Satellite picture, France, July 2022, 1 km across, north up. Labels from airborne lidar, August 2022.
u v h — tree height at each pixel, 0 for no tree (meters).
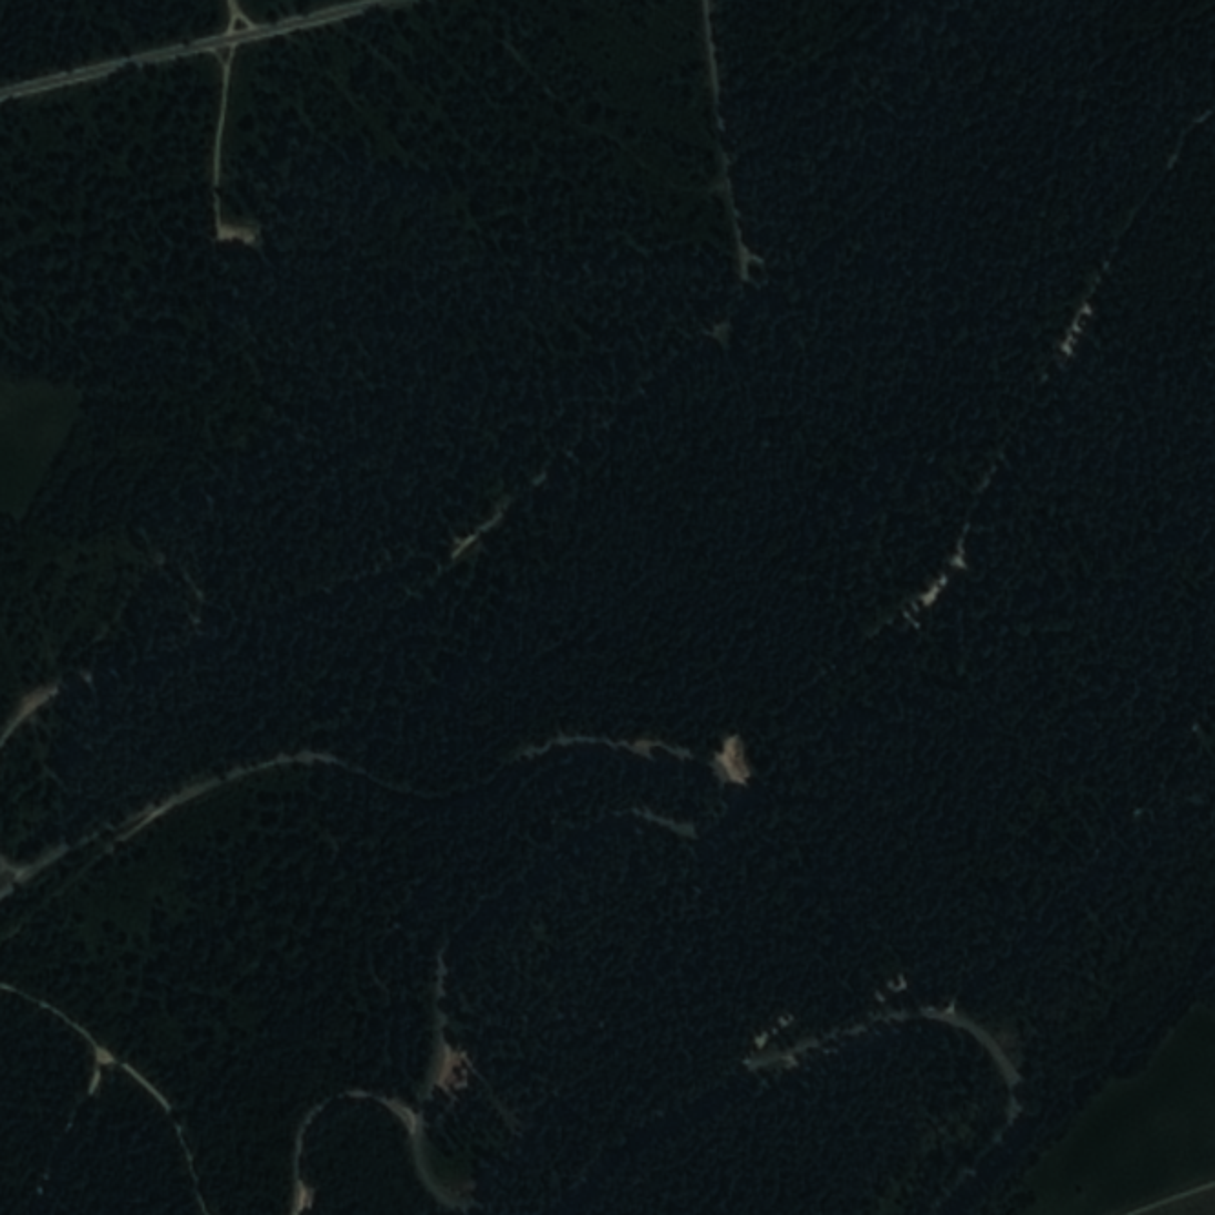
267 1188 11
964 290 31
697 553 30
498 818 26
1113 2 26
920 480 25
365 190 27
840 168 29
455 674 38
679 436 26
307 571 28
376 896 19
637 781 32
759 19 10
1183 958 21
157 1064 9
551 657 28
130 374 13
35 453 0
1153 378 33
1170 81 23
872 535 27
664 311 33
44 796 7
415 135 15
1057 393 6
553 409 23
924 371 29
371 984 12
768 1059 0
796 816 32
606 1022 35
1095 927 25
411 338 30
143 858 12
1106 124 28
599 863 33
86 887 10
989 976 31
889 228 30
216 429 12
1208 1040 0
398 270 9
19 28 18
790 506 30
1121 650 28
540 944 29
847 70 21
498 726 28
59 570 11
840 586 12
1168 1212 0
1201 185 17
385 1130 11
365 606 30
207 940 11
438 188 34
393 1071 20
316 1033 13
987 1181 30
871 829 34
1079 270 11
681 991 37
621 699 23
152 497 12
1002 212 27
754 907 33
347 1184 11
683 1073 31
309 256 34
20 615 6
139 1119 14
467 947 23
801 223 35
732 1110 33
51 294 18
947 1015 0
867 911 31
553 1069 31
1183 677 29
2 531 8
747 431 36
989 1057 17
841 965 32
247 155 13
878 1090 31
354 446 38
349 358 31
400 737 25
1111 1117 0
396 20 10
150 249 17
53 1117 14
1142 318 14
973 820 33
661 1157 29
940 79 31
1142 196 16
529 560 23
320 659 27
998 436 10
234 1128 8
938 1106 18
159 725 38
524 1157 33
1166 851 26
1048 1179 0
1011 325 25
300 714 28
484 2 8
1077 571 8
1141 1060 24
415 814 27
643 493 27
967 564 20
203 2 14
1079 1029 18
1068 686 25
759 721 23
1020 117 26
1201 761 18
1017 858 29
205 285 14
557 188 14
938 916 31
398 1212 15
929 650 8
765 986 28
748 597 24
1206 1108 0
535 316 29
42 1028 9
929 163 29
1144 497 17
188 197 18
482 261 33
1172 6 19
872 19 15
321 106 8
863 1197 15
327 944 13
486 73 11
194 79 15
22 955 15
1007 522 16
